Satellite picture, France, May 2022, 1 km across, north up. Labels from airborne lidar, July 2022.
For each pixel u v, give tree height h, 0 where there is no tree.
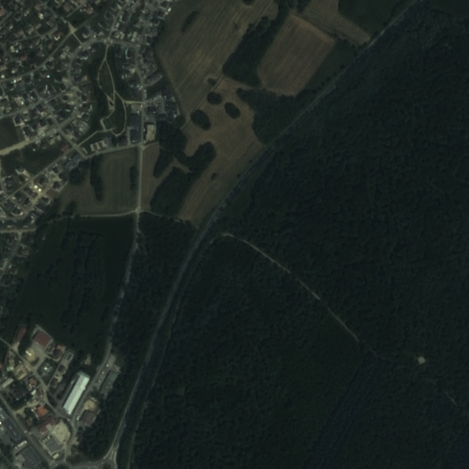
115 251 0
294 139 18
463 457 28
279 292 21
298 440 11
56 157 0
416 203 25
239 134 0
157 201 19
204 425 21
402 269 22
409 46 28
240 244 8
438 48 25
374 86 29
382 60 24
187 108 0
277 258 21
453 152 29
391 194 26
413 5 0
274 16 0
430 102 22
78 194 0
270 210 16
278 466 8
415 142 27
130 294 26
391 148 26
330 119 19
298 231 27
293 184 26
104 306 0
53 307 0
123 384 20
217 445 19
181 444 25
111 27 0
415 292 21
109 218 0
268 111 23
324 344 13
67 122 0
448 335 24
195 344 29
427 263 21
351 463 18
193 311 15
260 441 12
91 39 0
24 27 6
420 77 28
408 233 24
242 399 13
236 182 0
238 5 0
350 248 27
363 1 0
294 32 0
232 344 14
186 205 0
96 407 0
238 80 15
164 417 24
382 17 0
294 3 12
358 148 22
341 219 27
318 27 0
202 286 13
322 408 9
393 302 29
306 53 0
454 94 28
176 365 29
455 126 24
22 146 0
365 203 29
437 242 26
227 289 23
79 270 15
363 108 22
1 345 8
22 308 0
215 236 18
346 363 15
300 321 17
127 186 0
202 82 0
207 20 0
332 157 21
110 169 0
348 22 0
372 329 30
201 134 0
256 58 26
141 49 0
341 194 30
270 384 19
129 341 29
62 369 0
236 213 0
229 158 0
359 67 23
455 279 25
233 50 0
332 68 0
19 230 0
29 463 0
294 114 20
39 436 0
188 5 0
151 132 0
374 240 28
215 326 26
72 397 0
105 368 0
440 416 26
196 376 28
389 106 29
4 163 0
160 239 13
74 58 0
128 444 19
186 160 16
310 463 22
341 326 13
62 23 9
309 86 0
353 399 25
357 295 29
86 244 21
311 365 12
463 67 30
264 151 0
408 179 25
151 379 21
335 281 26
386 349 23
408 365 18
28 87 0
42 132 0
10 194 0
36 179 0
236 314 26
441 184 25
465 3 0
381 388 23
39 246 14
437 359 21
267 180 21
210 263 16
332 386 12
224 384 16
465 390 27
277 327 7
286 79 0
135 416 18
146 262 23
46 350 0
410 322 19
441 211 26
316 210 26
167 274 28
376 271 26
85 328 0
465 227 23
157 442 25
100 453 26
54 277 15
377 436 21
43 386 0
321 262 18
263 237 21
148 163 0
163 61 0
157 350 16
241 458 25
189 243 15
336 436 16
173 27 0
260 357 22
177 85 0
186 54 0
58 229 0
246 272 18
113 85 0
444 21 22
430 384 17
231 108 15
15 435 0
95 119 0
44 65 0
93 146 0
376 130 28
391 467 17
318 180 30
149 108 0
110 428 15
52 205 10
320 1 0
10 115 0
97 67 0
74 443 0
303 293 8
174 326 11
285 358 11
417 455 16
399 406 19
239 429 22
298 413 11
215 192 0
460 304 24
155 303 24
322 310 24
